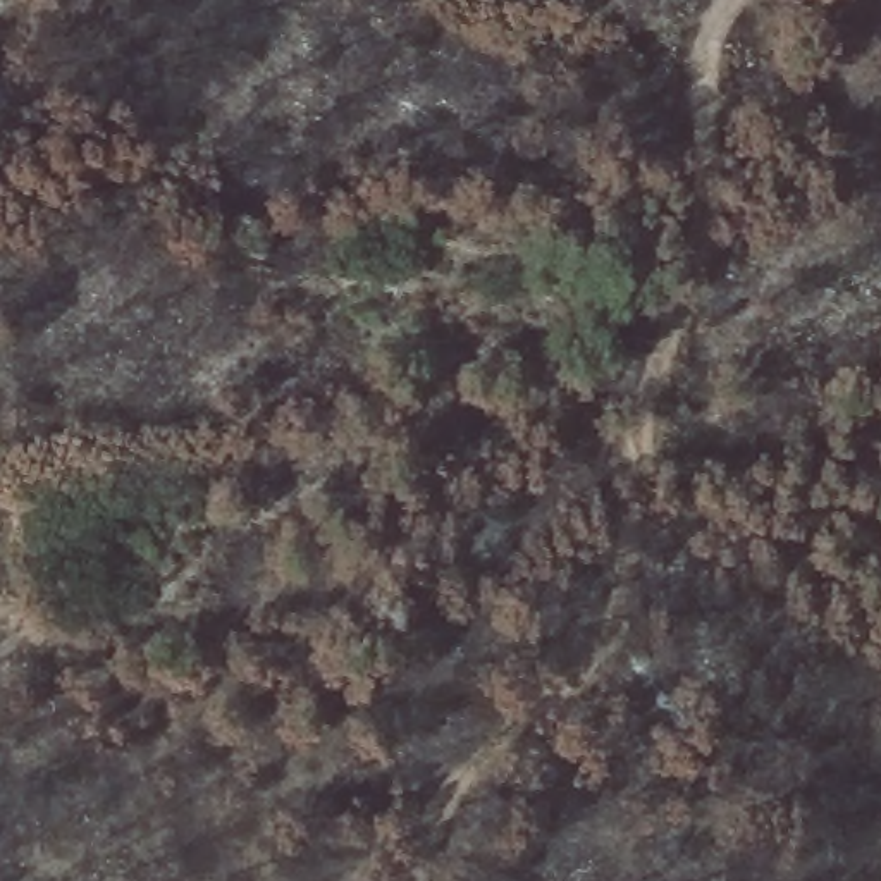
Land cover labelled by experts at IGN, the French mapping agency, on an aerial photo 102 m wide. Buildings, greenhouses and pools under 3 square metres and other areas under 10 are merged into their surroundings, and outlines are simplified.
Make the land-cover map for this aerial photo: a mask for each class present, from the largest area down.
<instances>
[{"label":"coniferous trees","instance_id":"1","mask_svg":"<svg viewBox=\"0 0 881 881\"><path fill-rule=\"evenodd\" d=\"M93 0H59L55 10L21 7L14 24L0 34V262L24 258L34 268H52L65 258L69 237L76 231L114 237L131 265L155 268L176 258V265L196 268L220 244V224L203 227L196 210L179 206V176L165 172V162H158L151 148L138 138V120L127 107L89 103L86 96L62 93L72 69L69 45L59 31L65 24V14H86ZM420 10L444 28V34L465 38L471 48L499 55L506 62L530 59L540 69L520 83L527 117L523 127L513 134V151L523 158L558 151V165L578 162V169L592 176L585 203L595 220V241L582 248L571 234H561V200L537 193L530 182H520L509 206L496 213L492 182L485 176L461 179L451 196H437L420 179L389 172V182L382 186L361 182L348 193H334L323 213L327 275L303 272V289L330 299L327 327H334L337 317L354 320L358 341L351 368H337V375L323 379L313 392L286 396L282 385H275L272 392L251 396L248 410L231 406L227 413H220L206 406L196 430L141 427V434H120L117 427L76 420L59 437H41L24 447H10L0 461V685H10L14 650L24 644H65L79 650L114 647L110 664L117 678L100 688H89V695L100 702V719L117 726L127 743L148 747L165 733V726L179 736L206 726L213 743L231 747L244 726L265 723L275 712L279 740L296 750H306L313 743V702L327 688L344 692L348 719H361L385 750L406 743L410 736H434L451 712H461L475 705L482 695H489L499 716L520 719L523 730L513 743V771L506 774V781H489L492 798L482 802L468 816L465 829L454 836L461 853H499L506 860H520V853L533 847L540 829L547 836H561L578 819H592L599 802H613L609 822L630 843L647 840L661 829H712L716 843H730L733 853L757 878L781 871L785 881H805L816 860L809 840L822 826V812L829 805H850L860 785L881 778V416H867L850 427V461L829 451L826 427H819L785 444V471H767V458H761L750 471L726 475V468L712 458L692 465H668L654 451L626 458V430H637L647 416L626 399L606 403L602 410L588 396L599 379H613L623 368V361L613 354V337L626 320L657 317L671 313L675 306H685L695 293V282L726 286L730 265H747L750 251H764L774 241H792L798 227H819V220H829L836 227L853 224V206L836 196L833 186V172H840V145H833L826 107L812 110L805 127H798L781 110V100L809 93L816 79H843L847 93L857 103L881 100V0H750L726 31L719 55V83H695L692 148H650L630 127V117L616 96L602 100L588 86L582 89L575 72V59L582 52H613L616 41H626V34L602 24L592 10L568 7L561 0H416Z\"/></svg>","mask_w":881,"mask_h":881},{"label":"bare soil","instance_id":"2","mask_svg":"<svg viewBox=\"0 0 881 881\"><path fill-rule=\"evenodd\" d=\"M21 7L55 10L59 0H0V34L14 24ZM69 45L72 69L62 93L86 96L89 103L127 107L138 120V138L151 148L158 162H165V172L179 176V206L196 210L203 227L220 224V244L196 268L176 265V258L155 268L131 265L114 237L76 231L69 237L65 258L52 268H34L24 258L0 262V461L10 447H24L41 437H59L76 420L117 427L120 434H141V427L196 430L206 406L220 413H227L231 406L248 410L251 396L272 392L275 385H282L286 396L313 392L323 379L337 375V368H351L358 341L354 320L337 317L334 327H327L330 299L303 289V272L327 275L323 213L334 193H348L361 182L382 186L389 182V172L420 179L437 196H451L461 179L485 176L492 182L496 213L509 206L520 182H530L537 193L561 200V234H571L582 248L595 241V220L585 203L592 176L578 169V162L558 165V151L523 158L513 151V134L523 127L527 117L520 83L540 69L530 59L506 62L499 55L471 48L465 38L444 34V28L420 10L416 0H93L86 14H65V24L59 31ZM568 7L592 10L602 24L626 34V41H616L613 52H582L575 59V72L582 89L588 86L602 100L616 96L630 117V127L650 148H692L695 83L692 45L702 28V14L712 7V0H561ZM826 107L833 145H840V172H833V186L836 196L853 206V224L836 227L829 220H819V227H798L792 241H774L764 251H750L747 265H730L726 286L695 282V293L685 306H675L671 313L657 317L626 320L613 337V354L623 361V368L613 379H599L588 396L602 410L606 403L626 399L647 416L637 430H626V458L654 451L668 465H692L712 458L726 468V475L750 471L761 458H767V471H785V444L819 427H826L829 451L850 461V427L867 416H881V100L857 103L847 93L843 79H816L809 93L781 100V110L798 127H805L812 110ZM114 647L79 650L65 644H24L14 650L10 685H0V881H785L781 871L757 878L733 853L730 843H716L712 829H661L647 840L630 843L609 822L613 802H599L592 819H578L561 836H547L540 829L533 847L520 853V860H506L499 853H461L454 836L465 829L468 816L482 802L492 798L489 781H506V774L513 771V743L523 730L520 719L499 716L489 695H482L475 705L461 712H451L434 736H410L406 743L385 750L361 719H348L344 692L327 688L313 702V743L306 750H296L279 740L275 712L265 723L244 726L231 747L213 743L206 726L179 736L165 726V733L148 747L127 743L117 726L100 719V702L89 695V688H100L117 678L110 664ZM816 860L805 881H881V778L860 785L850 805H829L822 812V826L809 840Z\"/></svg>","mask_w":881,"mask_h":881},{"label":"pervious surface","instance_id":"3","mask_svg":"<svg viewBox=\"0 0 881 881\"><path fill-rule=\"evenodd\" d=\"M750 0H712V7L702 14V28L692 45L695 83H719V55L726 31Z\"/></svg>","mask_w":881,"mask_h":881}]
</instances>
